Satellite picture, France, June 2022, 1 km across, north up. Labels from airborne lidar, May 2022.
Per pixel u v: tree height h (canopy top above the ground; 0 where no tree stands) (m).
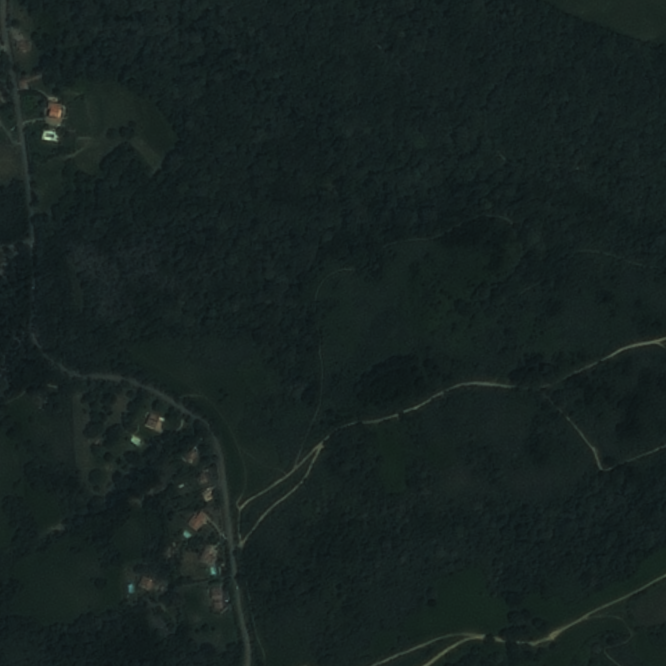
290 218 22
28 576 0
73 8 16
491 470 12
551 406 12
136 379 14
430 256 7
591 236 8
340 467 14
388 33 10
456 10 23
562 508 9
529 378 13
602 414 7
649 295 0
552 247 18
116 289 20
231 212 27
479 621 0
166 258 17
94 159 0
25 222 10
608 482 13
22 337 19
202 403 0
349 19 15
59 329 15
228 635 0
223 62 32
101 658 14
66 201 10
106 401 18
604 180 8
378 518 6
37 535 19
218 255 14
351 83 23
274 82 25
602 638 5
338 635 9
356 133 20
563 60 18
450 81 23
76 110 0
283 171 17
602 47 21
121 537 0
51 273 17
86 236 17
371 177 25
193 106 28
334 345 0
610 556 11
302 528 8
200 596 0
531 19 19
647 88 23
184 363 0
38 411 0
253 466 0
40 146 0
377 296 0
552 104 18
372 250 13
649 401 7
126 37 25
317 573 8
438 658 0
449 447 0
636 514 14
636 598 6
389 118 25
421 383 17
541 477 0
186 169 30
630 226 19
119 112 0
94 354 19
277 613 5
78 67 26
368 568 7
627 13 0
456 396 6
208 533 0
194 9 31
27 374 29
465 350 0
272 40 18
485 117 25
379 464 14
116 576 0
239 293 26
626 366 6
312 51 21
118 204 24
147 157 0
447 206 18
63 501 9
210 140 22
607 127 19
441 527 10
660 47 10
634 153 20
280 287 29
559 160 10
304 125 25
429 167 22
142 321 24
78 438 0
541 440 15
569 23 18
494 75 20
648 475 8
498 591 9
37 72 15
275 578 12
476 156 24
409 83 16
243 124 22
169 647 14
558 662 0
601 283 7
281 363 8
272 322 11
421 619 0
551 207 13
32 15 12
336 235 16
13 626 18
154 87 24
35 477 12
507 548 8
